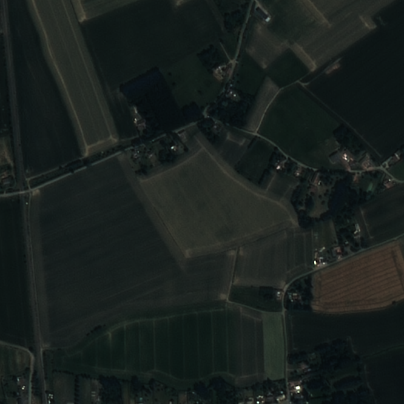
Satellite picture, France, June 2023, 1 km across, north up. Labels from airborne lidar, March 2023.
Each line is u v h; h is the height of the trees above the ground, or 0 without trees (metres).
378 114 0
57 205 0
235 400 11
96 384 0
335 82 0
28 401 0
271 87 0
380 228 0
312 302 0
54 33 0
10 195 0
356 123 0
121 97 0
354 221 0
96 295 0
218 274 0
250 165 0
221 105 19
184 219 0
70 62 0
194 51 0
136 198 0
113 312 0
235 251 0
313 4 0
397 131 0
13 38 0
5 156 0
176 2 0
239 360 0
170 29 0
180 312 0
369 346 0
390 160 0
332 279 0
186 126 0
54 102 0
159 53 0
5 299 0
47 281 0
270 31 0
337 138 12
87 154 0
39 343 0
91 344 0
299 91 0
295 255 0
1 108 0
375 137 0
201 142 0
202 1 0
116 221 0
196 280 0
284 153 0
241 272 0
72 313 0
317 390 0
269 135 0
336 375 0
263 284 0
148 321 0
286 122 0
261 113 0
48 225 0
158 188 0
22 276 0
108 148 0
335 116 0
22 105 0
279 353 0
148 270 0
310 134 0
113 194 0
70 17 0
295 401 20
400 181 0
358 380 14
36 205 0
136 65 0
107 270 0
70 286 0
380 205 0
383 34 0
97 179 0
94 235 0
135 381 20
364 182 0
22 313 0
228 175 0
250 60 0
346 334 0
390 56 0
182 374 0
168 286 0
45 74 0
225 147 0
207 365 0
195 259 0
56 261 0
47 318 0
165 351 0
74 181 0
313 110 0
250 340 0
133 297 0
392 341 0
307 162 0
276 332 0
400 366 0
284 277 0
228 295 0
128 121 0
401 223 0
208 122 11
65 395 0
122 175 0
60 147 0
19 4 0
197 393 30
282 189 0
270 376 0
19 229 0
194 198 0
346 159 0
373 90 0
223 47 0
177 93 0
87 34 0
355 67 0
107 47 0
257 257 0
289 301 16
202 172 0
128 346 0
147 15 0
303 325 0
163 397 0
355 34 0
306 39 0
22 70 0
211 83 0
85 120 0
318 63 0
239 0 0
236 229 0
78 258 0
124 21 0
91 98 0
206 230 0
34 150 0
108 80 0
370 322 0
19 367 0
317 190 0
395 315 0
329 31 0
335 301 0
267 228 0
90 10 0
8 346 0
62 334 0
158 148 0
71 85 0
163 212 0
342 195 34
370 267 0
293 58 0
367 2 0
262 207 0
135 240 0
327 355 12
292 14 0
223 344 0
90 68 0
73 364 0
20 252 0
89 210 0
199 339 0
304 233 0
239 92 7
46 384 0
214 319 0
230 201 0
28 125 0
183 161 0
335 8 0
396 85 0
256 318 0
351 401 18
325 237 0
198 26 0
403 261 0
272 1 0
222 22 0
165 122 36
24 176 0
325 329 0
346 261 0
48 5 0
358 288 0
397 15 0
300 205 11
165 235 0
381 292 0
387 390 0
